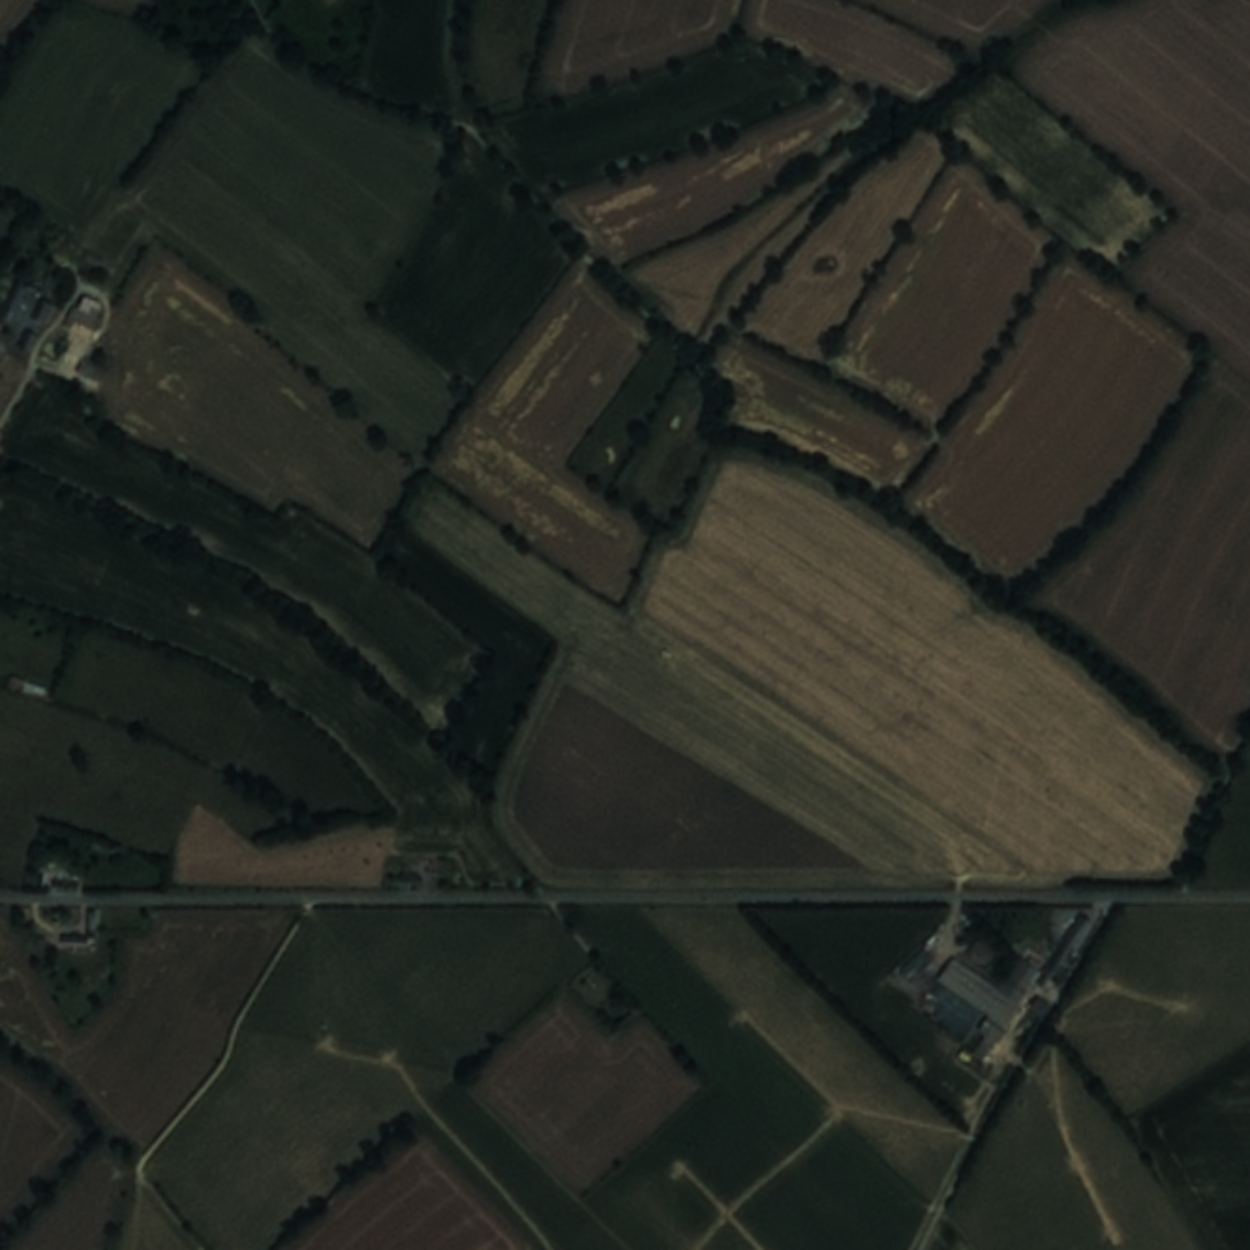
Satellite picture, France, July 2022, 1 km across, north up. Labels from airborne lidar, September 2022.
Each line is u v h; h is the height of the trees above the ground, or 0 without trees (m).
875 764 0
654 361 0
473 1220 0
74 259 0
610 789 0
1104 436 0
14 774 0
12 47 13
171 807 0
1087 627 0
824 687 0
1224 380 0
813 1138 0
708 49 0
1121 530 0
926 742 0
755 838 0
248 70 0
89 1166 0
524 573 0
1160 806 0
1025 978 0
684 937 0
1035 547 0
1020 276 0
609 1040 0
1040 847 0
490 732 0
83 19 0
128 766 0
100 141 0
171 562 10
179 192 0
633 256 0
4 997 0
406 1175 0
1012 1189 0
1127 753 0
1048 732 0
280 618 16
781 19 0
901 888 0
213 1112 0
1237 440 0
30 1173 0
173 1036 0
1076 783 0
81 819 0
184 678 0
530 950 0
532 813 0
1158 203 11
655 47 0
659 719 0
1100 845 0
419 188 0
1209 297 0
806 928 0
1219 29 0
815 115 0
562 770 0
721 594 0
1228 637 0
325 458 0
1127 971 0
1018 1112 0
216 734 0
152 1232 0
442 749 22
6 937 0
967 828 0
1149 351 0
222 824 0
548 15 7
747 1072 0
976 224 0
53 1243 0
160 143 7
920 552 0
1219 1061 0
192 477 7
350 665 19
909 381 0
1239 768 13
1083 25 0
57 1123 0
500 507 0
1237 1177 0
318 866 0
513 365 0
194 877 0
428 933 0
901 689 0
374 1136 0
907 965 0
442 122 15
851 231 0
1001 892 0
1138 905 0
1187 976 0
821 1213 0
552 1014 0
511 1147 0
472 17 22
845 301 0
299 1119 0
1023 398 0
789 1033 0
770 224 0
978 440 0
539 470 0
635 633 0
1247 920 0
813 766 0
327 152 0
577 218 0
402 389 0
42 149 0
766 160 0
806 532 0
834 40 0
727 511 0
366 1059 0
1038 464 0
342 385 0
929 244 0
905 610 0
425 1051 0
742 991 0
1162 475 0
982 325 0
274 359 0
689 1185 0
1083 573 0
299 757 0
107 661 0
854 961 0
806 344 0
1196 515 0
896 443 0
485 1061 11
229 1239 0
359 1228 0
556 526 0
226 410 0
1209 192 0
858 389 13
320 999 0
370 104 9
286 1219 0
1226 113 0
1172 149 0
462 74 6
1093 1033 0
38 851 9
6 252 13
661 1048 0
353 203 0
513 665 0
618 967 0
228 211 0
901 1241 0
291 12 0
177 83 0
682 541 0
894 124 13
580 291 0
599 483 12
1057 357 0
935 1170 0
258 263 0
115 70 0
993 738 0
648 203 0
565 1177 0
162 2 18
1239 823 0
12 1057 9
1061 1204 0
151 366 0
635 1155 0
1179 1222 0
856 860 0
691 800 0
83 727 0
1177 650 0
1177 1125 0
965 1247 0
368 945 0
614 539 0
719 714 0
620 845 0
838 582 0
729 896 0
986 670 0
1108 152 7
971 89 11
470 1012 0
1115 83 0
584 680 0
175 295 0
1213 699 0
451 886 6
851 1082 0
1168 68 0
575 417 0
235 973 0
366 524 0
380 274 0
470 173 0
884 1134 0
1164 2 0
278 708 7
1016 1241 0
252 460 0
